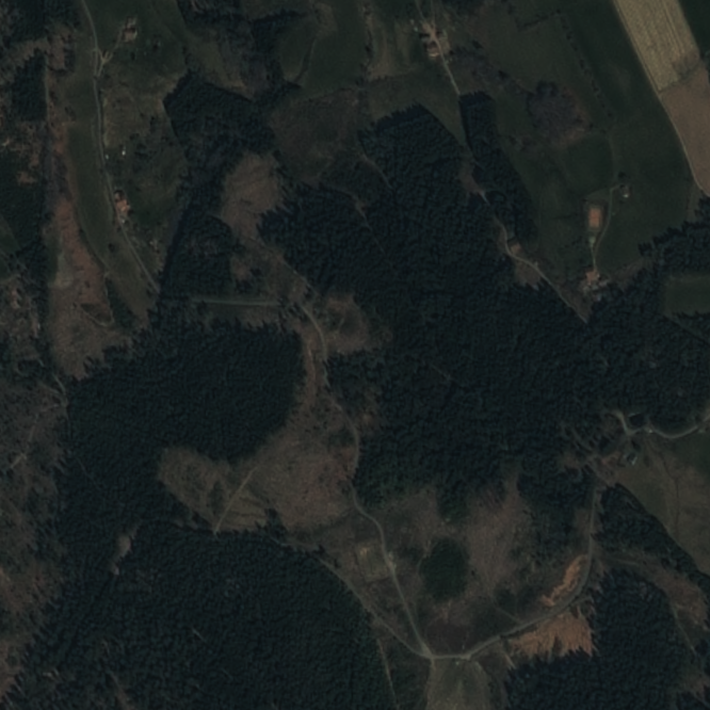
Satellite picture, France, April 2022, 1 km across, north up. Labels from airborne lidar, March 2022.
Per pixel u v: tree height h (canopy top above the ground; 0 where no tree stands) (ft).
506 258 20
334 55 0
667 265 52
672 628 98
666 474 0
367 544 0
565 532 30
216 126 52
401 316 80
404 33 0
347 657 52
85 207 0
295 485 0
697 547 0
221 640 65
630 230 0
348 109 0
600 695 69
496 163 111
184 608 58
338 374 102
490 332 60
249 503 0
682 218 0
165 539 77
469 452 30
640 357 87
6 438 66
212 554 73
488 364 57
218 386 57
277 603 56
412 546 0
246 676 60
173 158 0
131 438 50
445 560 20
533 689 98
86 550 61
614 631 69
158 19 0
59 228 0
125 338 0
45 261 42
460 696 0
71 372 0
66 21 90
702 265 70
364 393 76
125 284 0
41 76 67
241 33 83
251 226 0
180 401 63
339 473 0
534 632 0
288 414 63
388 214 41
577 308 0
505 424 71
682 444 0
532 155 69
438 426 66
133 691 29
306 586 52
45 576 24
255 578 75
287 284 0
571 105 74
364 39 0
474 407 71
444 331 95
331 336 0
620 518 78
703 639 0
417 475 39
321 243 77
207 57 0
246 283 0
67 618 76
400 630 0
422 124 105
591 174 0
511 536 0
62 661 82
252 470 0
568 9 0
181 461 0
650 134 0
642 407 96
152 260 0
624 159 0
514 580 0
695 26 0
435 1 0
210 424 72
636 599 66
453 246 73
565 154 0
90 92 0
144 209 0
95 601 80
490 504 76
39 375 38
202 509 0
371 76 0
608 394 84
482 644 0
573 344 66
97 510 53
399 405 80
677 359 61
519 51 0
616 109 0
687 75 0
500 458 51
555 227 0
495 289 58
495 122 97
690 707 82
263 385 53
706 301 0
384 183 27
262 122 53
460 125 0
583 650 0
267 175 0
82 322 0
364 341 0
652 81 0
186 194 61
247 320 0
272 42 87
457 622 0
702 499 0
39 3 33
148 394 62
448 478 66
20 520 0
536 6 0
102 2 0
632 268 0
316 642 68
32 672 72
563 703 70
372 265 56
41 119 62
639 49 0
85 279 0
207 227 68
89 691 79
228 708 66
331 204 49
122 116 0
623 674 75
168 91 0
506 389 58
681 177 0
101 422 52
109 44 0
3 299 53
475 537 0
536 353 58
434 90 0
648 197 0
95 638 85
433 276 79
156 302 69
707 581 51
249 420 58
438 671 0
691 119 0
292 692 61
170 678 85
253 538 60
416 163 109
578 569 0
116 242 0
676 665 81
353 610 23
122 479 62
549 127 100
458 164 99
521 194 104
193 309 71
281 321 0
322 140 0
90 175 0
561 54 0
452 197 102
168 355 65
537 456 85
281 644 68
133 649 81
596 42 0
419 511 0
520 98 62
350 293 71
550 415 57
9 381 34
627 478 0
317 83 0
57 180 87
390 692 26
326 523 0
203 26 87
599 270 0
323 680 79
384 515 0
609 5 0
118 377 69
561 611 0
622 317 73
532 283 0
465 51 0
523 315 62
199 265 73
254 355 56
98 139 0
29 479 0
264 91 94
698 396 50
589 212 0
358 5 0
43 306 52
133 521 54
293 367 44
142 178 36
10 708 75
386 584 0
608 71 0
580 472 0
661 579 0
